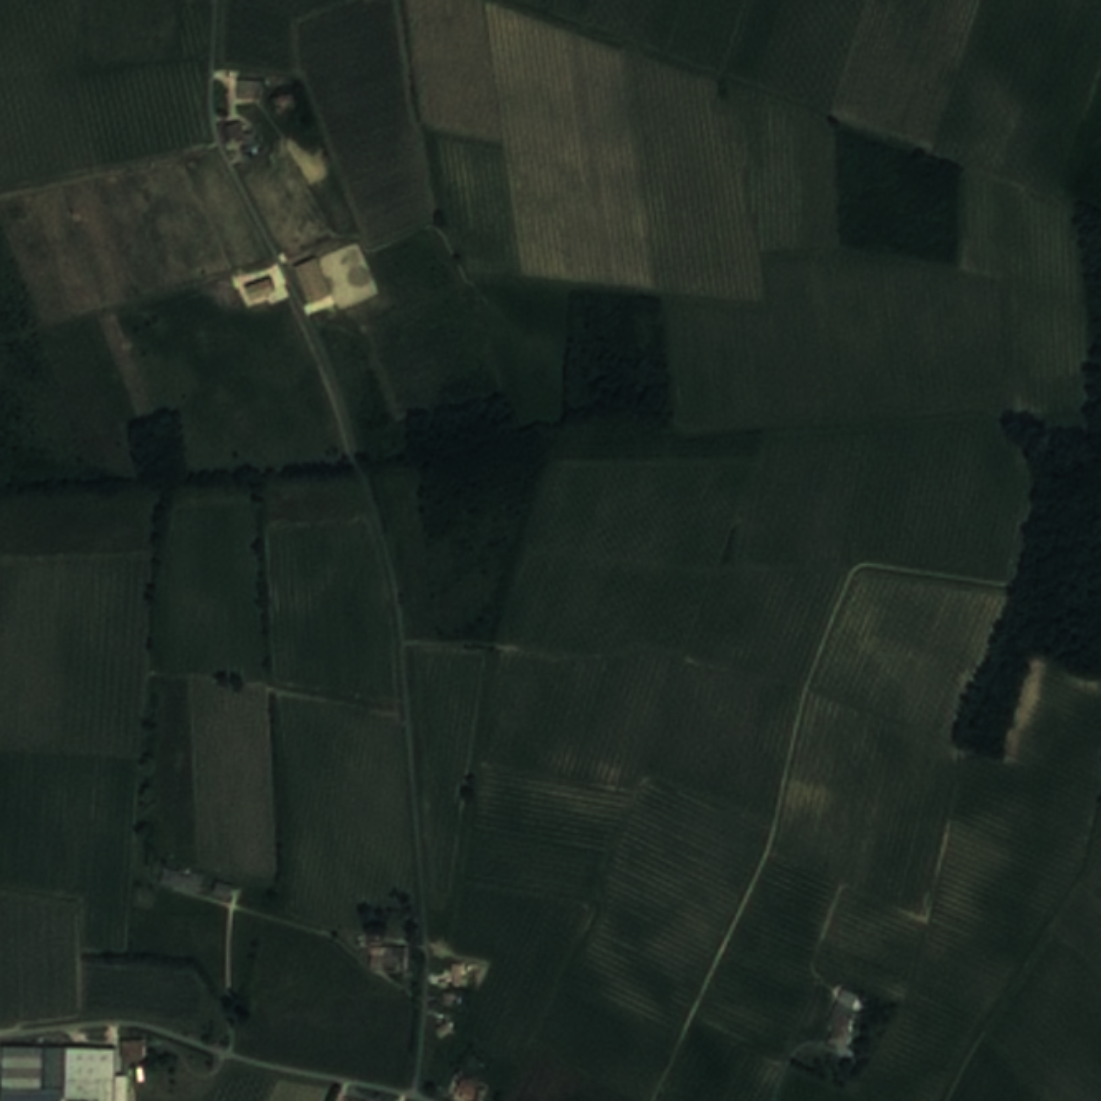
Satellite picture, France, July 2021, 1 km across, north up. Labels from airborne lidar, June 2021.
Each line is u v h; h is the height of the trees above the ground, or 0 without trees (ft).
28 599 0
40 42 0
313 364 0
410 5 0
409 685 0
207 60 0
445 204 0
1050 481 54
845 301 0
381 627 0
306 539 0
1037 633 60
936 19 0
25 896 0
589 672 0
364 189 0
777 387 0
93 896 0
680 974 0
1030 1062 0
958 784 0
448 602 0
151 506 0
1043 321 0
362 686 0
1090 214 26
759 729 0
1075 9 0
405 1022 0
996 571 0
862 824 0
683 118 0
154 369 0
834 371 0
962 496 0
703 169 0
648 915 0
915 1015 0
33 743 0
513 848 0
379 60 0
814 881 0
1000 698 48
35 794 0
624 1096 0
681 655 0
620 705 0
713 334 0
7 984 0
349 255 0
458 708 0
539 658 0
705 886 0
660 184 0
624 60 0
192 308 0
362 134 0
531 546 0
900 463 0
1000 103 0
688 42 0
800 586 0
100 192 0
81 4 0
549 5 0
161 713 0
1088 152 0
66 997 0
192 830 0
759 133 0
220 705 0
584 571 0
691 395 0
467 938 0
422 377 0
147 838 24
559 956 0
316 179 0
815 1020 0
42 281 0
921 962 0
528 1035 0
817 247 0
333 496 0
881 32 0
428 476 33
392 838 0
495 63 0
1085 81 0
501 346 0
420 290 0
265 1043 0
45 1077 0
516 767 0
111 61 0
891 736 0
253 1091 0
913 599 0
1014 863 0
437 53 0
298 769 0
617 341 22
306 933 0
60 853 0
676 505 0
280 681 0
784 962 0
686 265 0
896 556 0
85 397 0
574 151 0
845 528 0
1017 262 0
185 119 0
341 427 0
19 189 0
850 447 0
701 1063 0
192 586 0
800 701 0
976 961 0
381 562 0
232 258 0
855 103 0
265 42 0
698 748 0
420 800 0
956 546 0
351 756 0
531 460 50
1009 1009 0
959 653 0
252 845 0
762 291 0
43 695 0
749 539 0
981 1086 0
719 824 0
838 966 0
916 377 0
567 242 0
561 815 0
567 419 36
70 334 0
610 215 0
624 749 0
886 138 0
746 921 0
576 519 0
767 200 0
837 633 0
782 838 0
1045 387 0
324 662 0
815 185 0
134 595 0
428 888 0
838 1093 0
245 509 0
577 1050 0
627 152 0
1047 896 0
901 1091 0
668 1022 0
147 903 0
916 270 0
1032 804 0
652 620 0
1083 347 0
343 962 0
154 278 0
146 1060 19
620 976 0
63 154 0
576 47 0
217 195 0
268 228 0
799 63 0
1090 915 0
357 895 0
